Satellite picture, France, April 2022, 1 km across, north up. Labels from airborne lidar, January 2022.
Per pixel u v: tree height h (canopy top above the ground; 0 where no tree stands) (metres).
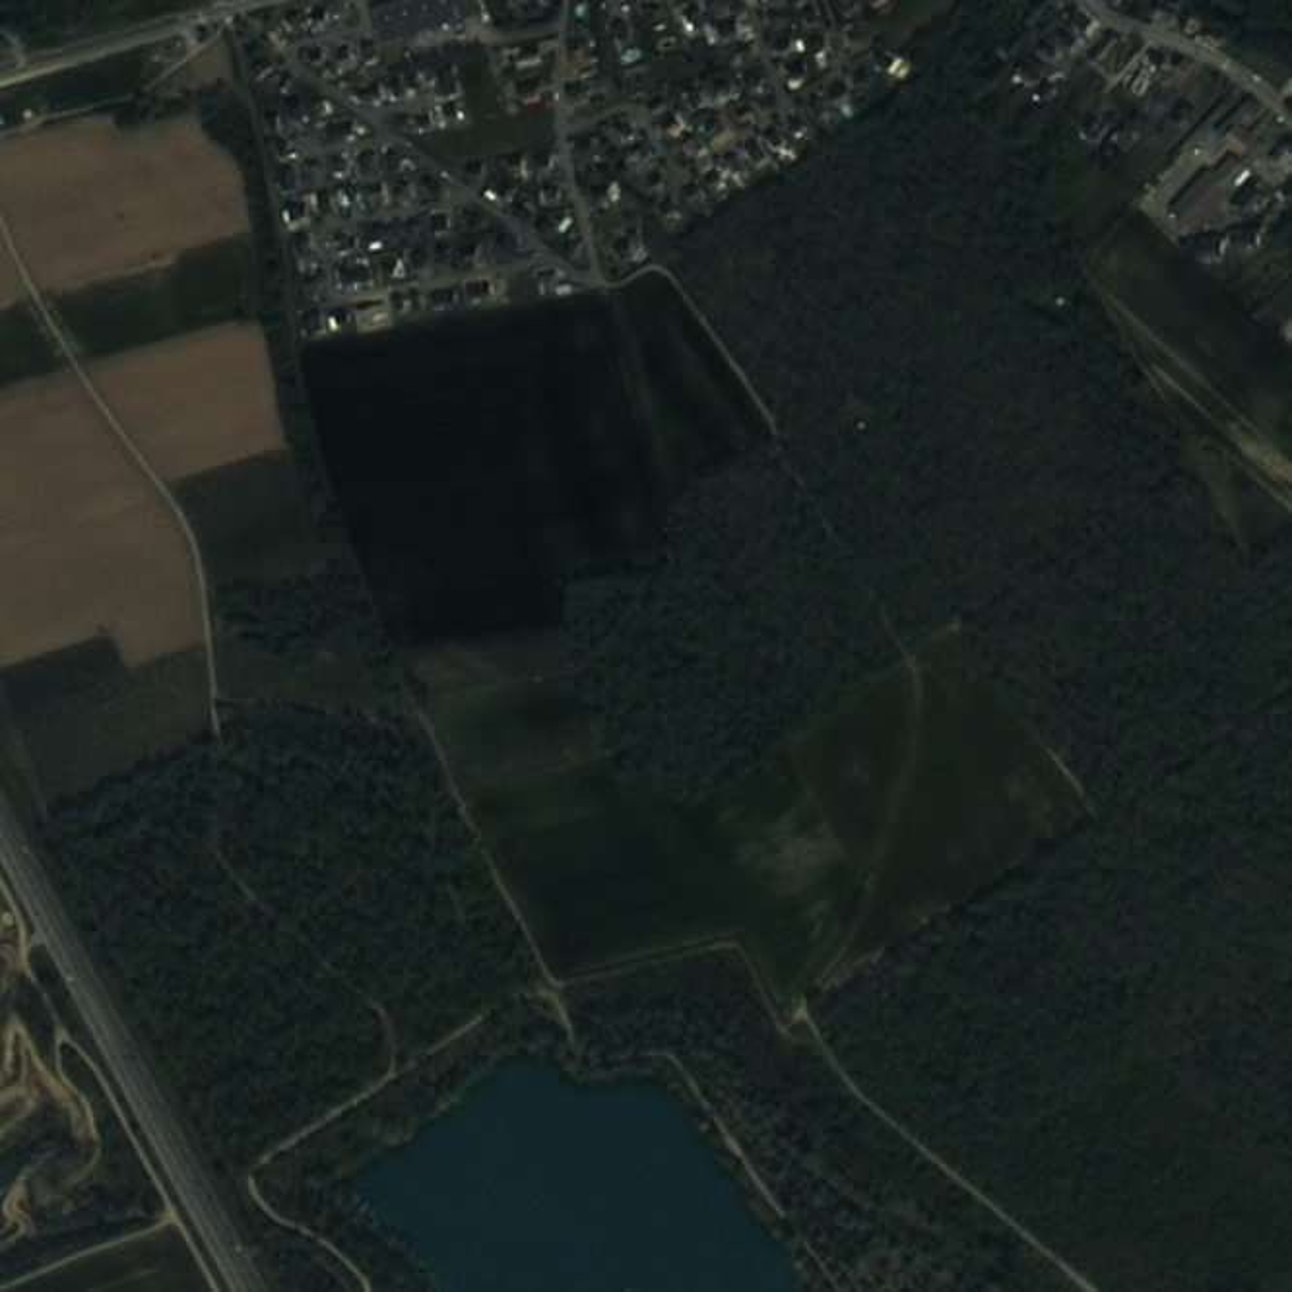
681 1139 0
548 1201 0
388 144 0
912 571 19
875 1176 7
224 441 0
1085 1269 10
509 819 0
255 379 0
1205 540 20
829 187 18
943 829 0
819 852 0
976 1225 18
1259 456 0
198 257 0
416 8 0
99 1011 0
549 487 0
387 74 0
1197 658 19
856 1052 16
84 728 0
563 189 0
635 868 0
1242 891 21
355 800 17
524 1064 0
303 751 13
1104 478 20
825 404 19
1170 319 0
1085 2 0
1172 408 0
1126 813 16
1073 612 22
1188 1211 11
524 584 0
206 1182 0
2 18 13
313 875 18
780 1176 13
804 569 18
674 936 0
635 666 19
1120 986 15
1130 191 0
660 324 0
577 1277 0
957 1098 18
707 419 0
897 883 0
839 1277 10
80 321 0
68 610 0
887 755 0
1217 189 0
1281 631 21
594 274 0
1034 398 17
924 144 18
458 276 0
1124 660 17
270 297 10
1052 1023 17
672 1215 0
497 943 15
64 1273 0
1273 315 0
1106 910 18
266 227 10
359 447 0
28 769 0
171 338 0
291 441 7
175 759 8
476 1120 0
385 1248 19
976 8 8
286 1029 21
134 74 0
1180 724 15
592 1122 0
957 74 10
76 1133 0
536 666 0
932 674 0
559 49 0
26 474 0
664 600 19
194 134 0
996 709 0
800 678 17
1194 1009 19
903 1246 14
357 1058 19
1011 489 18
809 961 0
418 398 0
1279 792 19
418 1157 0
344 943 19
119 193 0
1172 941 20
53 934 0
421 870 19
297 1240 13
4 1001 17
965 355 20
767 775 0
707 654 15
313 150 0
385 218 0
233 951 20
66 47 0
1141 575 21
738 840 0
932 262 20
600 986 16
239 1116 18
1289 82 0
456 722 0
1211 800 18
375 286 0
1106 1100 12
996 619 15
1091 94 0
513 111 0
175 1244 0
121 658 0
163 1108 0
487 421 0
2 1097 0
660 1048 16
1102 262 0
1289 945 19
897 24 0
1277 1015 21
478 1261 0
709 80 7
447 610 0
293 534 0
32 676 0
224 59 0
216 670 0
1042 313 16
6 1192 0
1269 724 19
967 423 20
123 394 0
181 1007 17
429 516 0
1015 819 0
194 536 0
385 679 14
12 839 0
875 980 18
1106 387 14
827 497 19
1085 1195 11
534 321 0
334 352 0
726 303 17
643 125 0
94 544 0
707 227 16
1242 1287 15
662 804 0
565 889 0
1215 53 0
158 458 0
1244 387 0
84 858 18
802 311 17
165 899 15
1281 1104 16
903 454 18
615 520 0
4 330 0
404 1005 17
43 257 0
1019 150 13
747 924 0
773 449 15
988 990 20
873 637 18
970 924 16
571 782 0
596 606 17
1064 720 16
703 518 15
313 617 13
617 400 0
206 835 20
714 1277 0
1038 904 17
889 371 18
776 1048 18
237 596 6
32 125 0
